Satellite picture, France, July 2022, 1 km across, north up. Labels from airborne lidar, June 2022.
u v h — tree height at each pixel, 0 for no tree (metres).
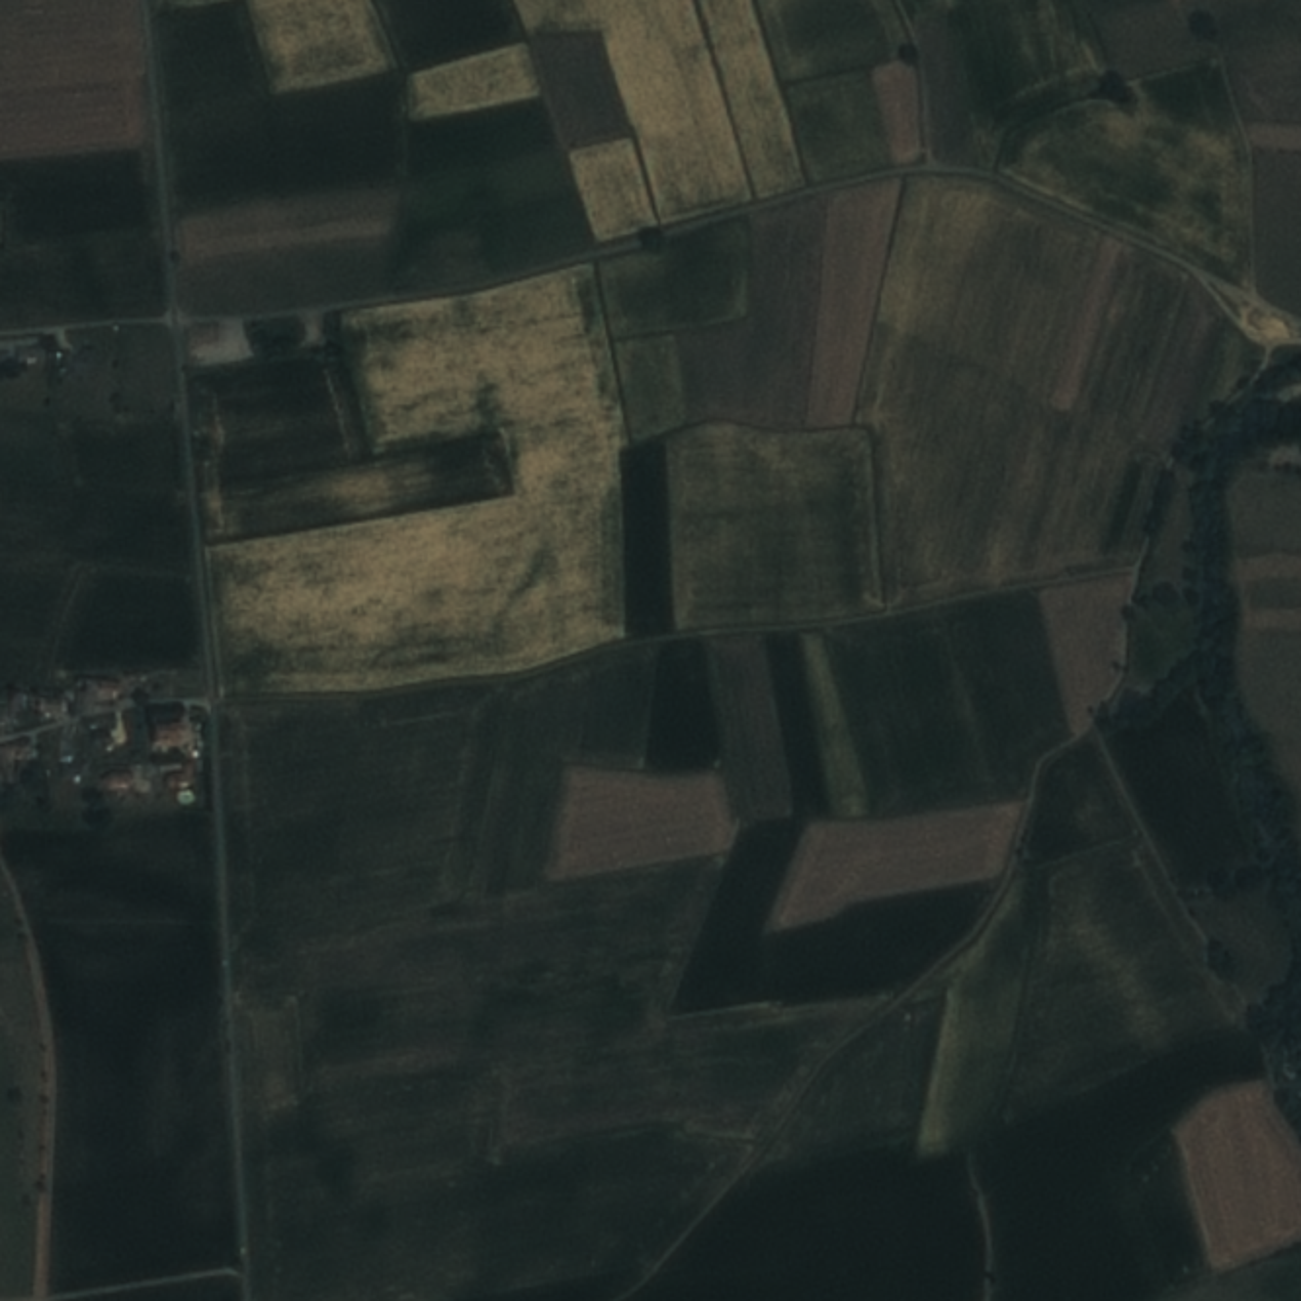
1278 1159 0
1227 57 0
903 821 0
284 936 0
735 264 0
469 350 0
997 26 0
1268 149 0
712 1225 0
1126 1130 0
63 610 0
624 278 0
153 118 0
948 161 0
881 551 0
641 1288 0
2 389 0
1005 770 0
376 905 0
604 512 0
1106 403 0
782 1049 0
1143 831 0
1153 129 0
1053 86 0
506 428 0
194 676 0
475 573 0
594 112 0
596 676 0
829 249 0
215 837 0
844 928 0
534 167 0
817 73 0
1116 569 0
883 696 0
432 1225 0
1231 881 20
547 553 0
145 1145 0
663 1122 0
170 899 0
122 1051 0
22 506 0
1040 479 0
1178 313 0
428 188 0
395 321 0
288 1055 0
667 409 0
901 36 0
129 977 0
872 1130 0
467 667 0
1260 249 0
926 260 0
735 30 0
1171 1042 0
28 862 0
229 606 0
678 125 0
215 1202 0
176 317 0
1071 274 0
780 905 0
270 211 0
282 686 0
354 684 0
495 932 0
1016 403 0
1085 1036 0
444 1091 0
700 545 0
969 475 0
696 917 0
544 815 0
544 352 0
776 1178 0
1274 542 0
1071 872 0
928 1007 0
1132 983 0
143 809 0
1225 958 17
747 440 0
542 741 0
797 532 0
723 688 0
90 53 0
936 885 0
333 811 0
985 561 0
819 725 0
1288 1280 0
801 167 0
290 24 0
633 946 0
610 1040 0
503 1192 0
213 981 0
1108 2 0
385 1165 0
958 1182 0
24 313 0
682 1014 0
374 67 0
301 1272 0
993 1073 0
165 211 0
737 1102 0
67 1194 0
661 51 0
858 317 0
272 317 0
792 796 0
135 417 0
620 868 0
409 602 0
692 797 0
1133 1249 0
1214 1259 0
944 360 0
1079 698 0
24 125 0
